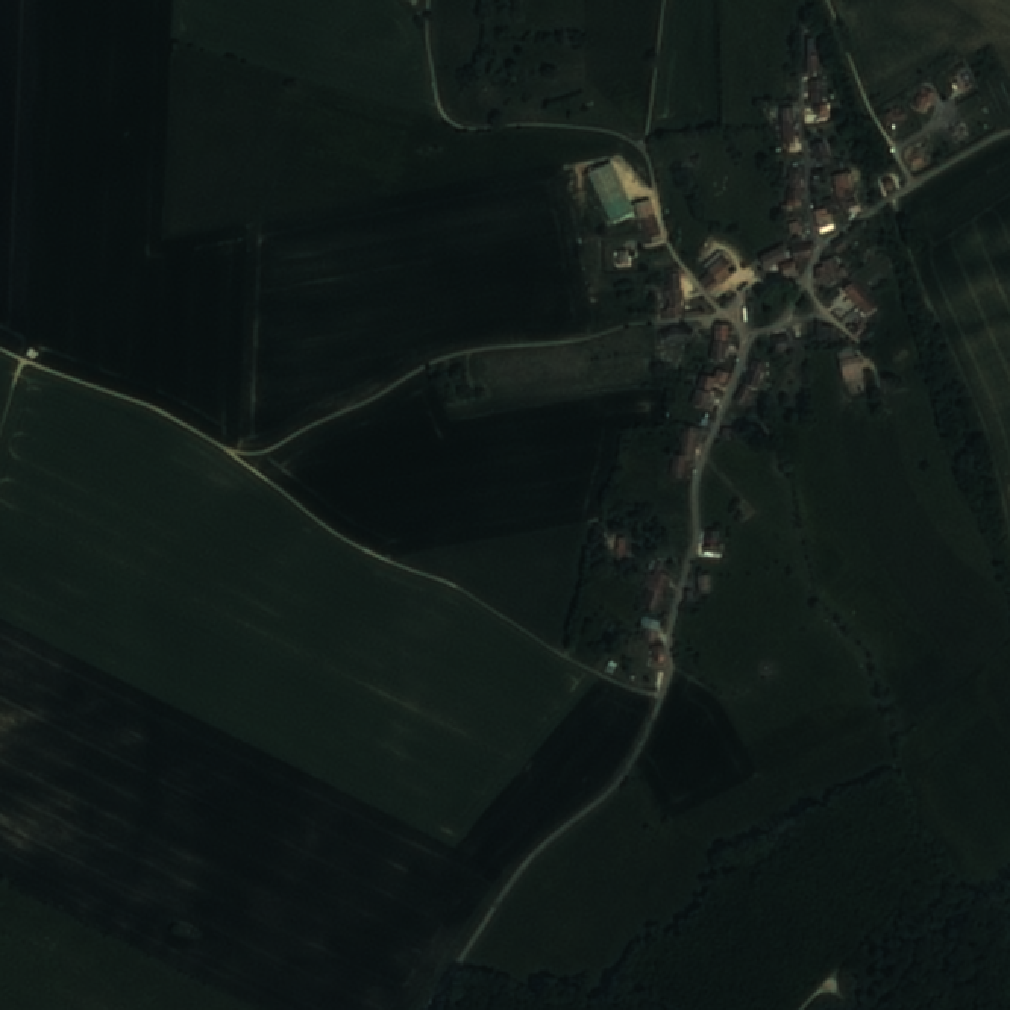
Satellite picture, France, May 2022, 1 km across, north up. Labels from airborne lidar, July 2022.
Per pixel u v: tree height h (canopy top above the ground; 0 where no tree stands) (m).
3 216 0
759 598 0
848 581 0
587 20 0
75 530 0
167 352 0
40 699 0
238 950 0
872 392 13
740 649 0
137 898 0
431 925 0
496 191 0
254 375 0
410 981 0
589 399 0
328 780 0
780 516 0
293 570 0
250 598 0
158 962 0
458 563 0
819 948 14
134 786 0
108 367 0
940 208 0
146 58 0
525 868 0
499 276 0
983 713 0
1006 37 0
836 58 22
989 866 0
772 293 19
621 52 0
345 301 0
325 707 0
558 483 0
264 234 0
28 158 0
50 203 0
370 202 0
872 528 0
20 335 0
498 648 0
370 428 0
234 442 0
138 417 0
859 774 0
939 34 0
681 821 0
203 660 0
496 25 0
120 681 0
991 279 0
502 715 0
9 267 0
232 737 0
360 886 0
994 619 0
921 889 17
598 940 0
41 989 0
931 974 31
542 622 0
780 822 17
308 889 0
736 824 0
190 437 0
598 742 0
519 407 0
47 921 0
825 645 0
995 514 12
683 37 0
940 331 14
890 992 24
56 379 0
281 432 0
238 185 0
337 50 0
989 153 0
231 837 0
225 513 0
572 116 7
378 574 0
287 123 0
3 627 0
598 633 10
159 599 0
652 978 13
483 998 25
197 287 0
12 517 0
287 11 0
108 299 0
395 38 0
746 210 0
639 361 0
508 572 0
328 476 0
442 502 0
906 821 14
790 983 14
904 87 0
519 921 0
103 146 0
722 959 15
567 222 0
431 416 0
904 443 0
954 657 0
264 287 0
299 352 0
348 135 0
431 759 0
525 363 0
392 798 0
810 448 0
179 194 0
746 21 0
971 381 0
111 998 0
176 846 0
